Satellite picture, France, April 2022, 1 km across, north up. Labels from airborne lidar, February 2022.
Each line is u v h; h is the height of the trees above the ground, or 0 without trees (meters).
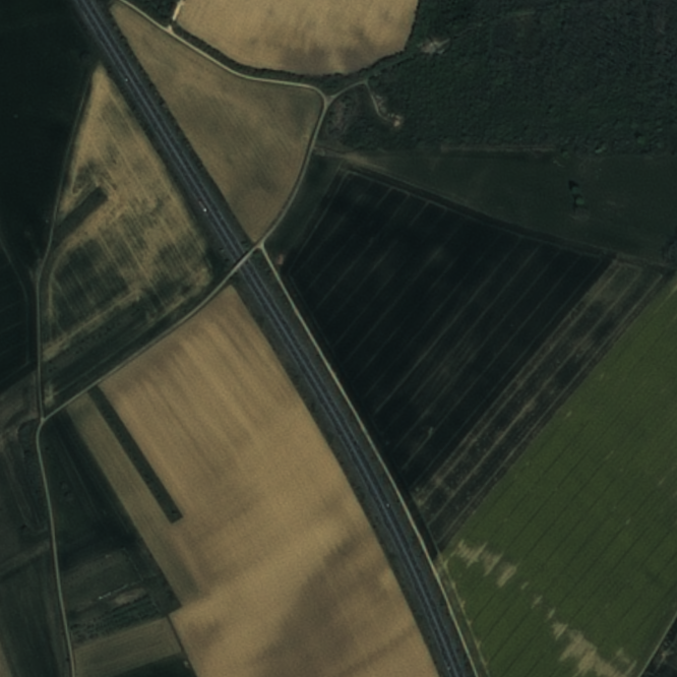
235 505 0
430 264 0
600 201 0
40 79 0
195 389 0
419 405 0
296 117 0
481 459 0
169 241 0
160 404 0
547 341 0
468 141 17
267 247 0
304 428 0
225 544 0
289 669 0
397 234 0
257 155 0
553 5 12
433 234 0
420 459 0
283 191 0
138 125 0
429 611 0
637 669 0
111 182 0
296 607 0
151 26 0
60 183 0
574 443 0
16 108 0
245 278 0
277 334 0
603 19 22
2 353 0
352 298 0
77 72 0
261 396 0
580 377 0
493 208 0
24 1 0
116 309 0
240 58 0
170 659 0
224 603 0
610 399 0
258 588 0
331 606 0
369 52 0
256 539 0
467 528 0
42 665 0
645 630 0
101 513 0
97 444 0
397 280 0
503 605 0
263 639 0
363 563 0
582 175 0
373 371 0
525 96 18
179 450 0
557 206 0
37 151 0
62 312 0
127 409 0
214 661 0
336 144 0
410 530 0
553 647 0
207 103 0
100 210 0
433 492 0
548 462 0
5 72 0
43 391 0
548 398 0
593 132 7
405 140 6
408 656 0
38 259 0
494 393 0
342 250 0
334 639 0
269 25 0
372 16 0
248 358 0
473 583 0
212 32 0
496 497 0
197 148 0
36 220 0
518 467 0
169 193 0
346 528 0
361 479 0
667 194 0
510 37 7
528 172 0
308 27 0
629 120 7
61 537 0
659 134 10
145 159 0
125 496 0
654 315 0
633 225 0
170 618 0
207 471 0
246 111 0
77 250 0
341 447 0
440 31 7
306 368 0
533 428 0
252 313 0
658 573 0
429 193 0
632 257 0
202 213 0
